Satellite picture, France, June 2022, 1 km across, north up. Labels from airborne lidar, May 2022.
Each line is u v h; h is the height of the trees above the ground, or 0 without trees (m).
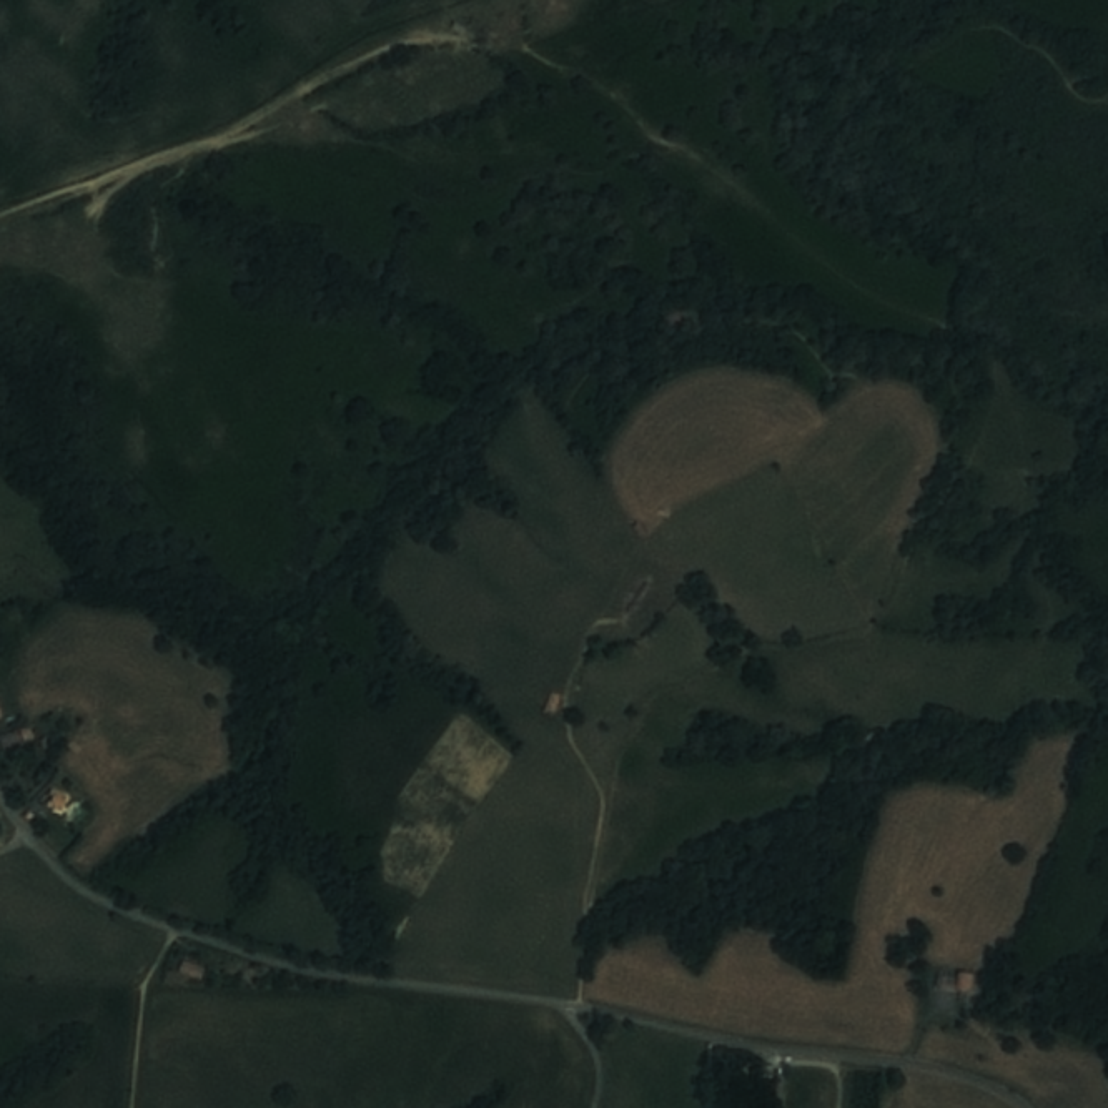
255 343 0
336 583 19
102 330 0
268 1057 0
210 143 0
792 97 19
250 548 0
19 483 15
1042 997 21
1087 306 0
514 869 0
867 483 0
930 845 0
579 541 0
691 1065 0
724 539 0
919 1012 0
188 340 0
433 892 0
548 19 0
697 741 14
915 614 0
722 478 0
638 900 20
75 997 0
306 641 11
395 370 0
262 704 21
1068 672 0
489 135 0
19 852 0
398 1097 0
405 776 0
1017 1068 0
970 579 0
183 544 15
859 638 0
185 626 12
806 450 0
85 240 0
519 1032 0
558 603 0
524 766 0
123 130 0
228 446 0
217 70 0
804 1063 0
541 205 14
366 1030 0
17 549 0
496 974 0
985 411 0
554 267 11
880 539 0
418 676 6
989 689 0
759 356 8
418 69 0
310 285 9
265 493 0
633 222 0
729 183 0
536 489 0
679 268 10
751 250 0
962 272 11
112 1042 0
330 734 0
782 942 13
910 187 11
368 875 11
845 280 0
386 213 0
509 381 21
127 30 10
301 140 0
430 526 14
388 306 6
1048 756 0
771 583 0
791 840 21
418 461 8
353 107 0
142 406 0
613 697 0
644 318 20
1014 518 11
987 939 0
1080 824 0
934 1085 0
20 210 0
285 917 0
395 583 0
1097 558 0
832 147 20
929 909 0
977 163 6
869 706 0
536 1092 0
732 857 17
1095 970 18
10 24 0
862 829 10
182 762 0
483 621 0
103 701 0
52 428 18
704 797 0
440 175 0
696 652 0
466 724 0
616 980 0
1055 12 0
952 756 14
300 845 9
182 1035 0
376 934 20
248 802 11
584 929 13
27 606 10
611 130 10
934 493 13
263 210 6
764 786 0
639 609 0
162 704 0
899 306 0
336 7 0
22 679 0
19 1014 0
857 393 0
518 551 0
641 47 0
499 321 0
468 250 0
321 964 17
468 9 0
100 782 0
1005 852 10
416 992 0
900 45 6
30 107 0
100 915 0
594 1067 0
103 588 22
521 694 0
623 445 0
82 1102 0
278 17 0
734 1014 0
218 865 0
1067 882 0
